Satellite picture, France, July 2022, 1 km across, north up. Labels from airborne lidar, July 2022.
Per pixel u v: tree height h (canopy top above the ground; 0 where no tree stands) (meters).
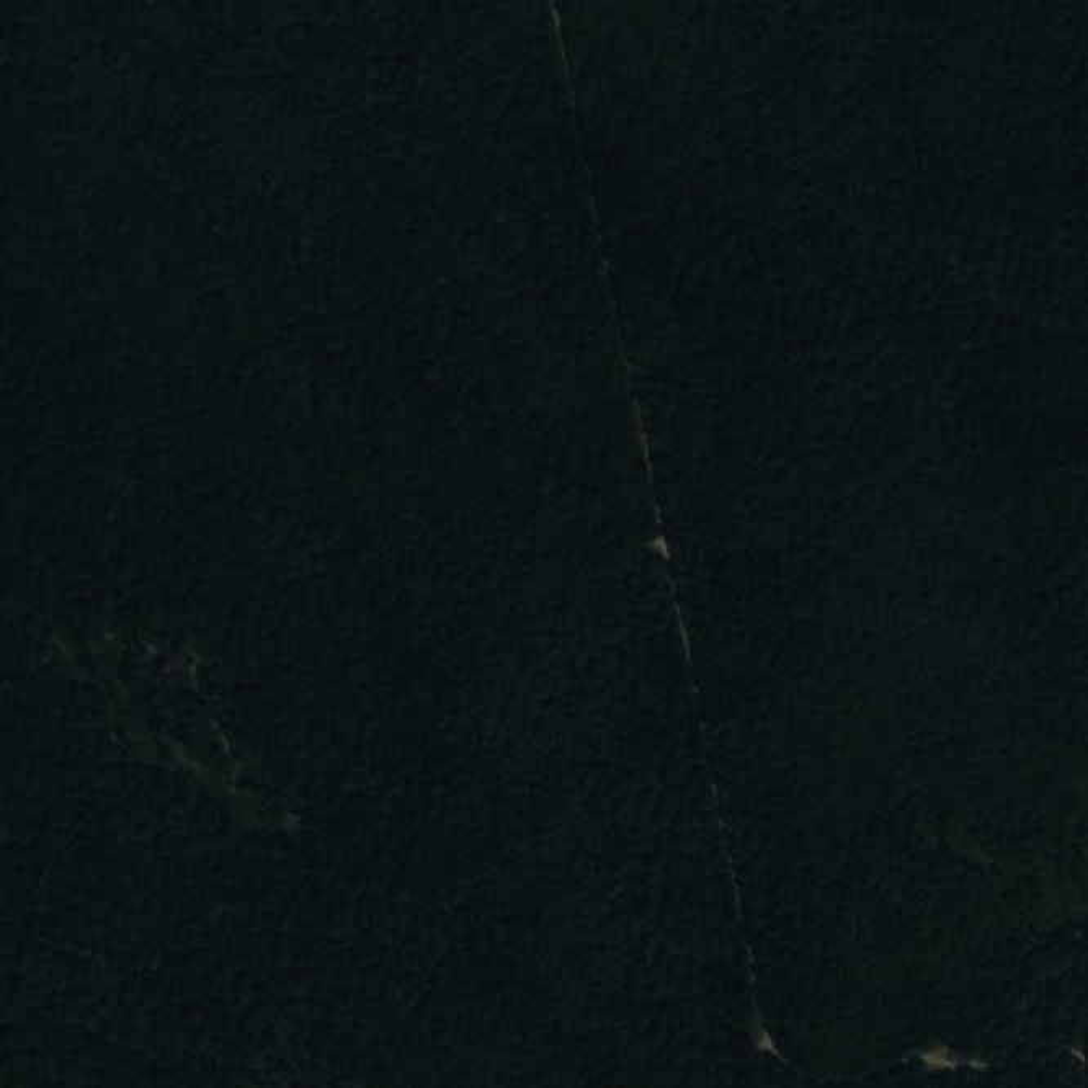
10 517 28
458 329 27
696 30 17
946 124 22
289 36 23
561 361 19
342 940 23
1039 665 19
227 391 21
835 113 7
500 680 19
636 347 19
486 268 19
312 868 25
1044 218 24
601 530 22
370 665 20
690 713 16
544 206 25
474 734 22
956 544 22
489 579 22
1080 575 24
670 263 26
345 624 20
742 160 23
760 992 18
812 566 21
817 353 20
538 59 19
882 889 17
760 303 29
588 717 20
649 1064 19
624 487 19
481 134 24
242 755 17
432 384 23
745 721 22
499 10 16
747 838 27
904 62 19
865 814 18
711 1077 16
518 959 20
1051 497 18
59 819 23
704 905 30
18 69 22
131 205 21
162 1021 27
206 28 20
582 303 20
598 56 17
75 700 22
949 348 21
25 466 23
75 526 23
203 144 18
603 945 18
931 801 21
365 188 20
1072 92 24
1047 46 18
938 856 24
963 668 15
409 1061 19
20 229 22
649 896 23
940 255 25
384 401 22
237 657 25
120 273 18
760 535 20
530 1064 8
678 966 23
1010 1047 13
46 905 22
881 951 16
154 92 21
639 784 13
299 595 23
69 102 21
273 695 18
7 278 24
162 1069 21
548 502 26
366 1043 17
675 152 20
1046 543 21
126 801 22
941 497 20
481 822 23
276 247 21
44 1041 22
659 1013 21
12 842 27
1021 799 18
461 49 23
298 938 23
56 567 28
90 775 23
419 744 25
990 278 26
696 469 18
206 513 25
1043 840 17
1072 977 15
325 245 21
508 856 21
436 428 18
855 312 15
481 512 22
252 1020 13
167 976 28
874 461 18
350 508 22
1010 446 21
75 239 20
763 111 24
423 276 22
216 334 19
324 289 19
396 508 12
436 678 25
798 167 22
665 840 19
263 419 18
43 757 19
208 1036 20
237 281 20
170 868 18
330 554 23
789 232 24
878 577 16
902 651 17
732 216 24
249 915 24
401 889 28
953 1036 17
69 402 29
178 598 23
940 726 17
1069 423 22
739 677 25
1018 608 19
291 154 18
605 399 20
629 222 18
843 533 23
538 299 14
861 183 24
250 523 25
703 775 20
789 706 17
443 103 23
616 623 26
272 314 20
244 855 24
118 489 26
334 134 18
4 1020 15
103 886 25
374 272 24
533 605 18
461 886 28
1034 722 19
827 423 19
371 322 28
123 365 21
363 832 23
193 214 19
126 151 20
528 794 20
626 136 26
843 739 15
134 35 21
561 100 25
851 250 23
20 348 26
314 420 16
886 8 25
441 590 20
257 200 19
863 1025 13
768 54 26
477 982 17
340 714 21
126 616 23
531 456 17
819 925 14
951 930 16
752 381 19
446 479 19
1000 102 16
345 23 18
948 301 19
